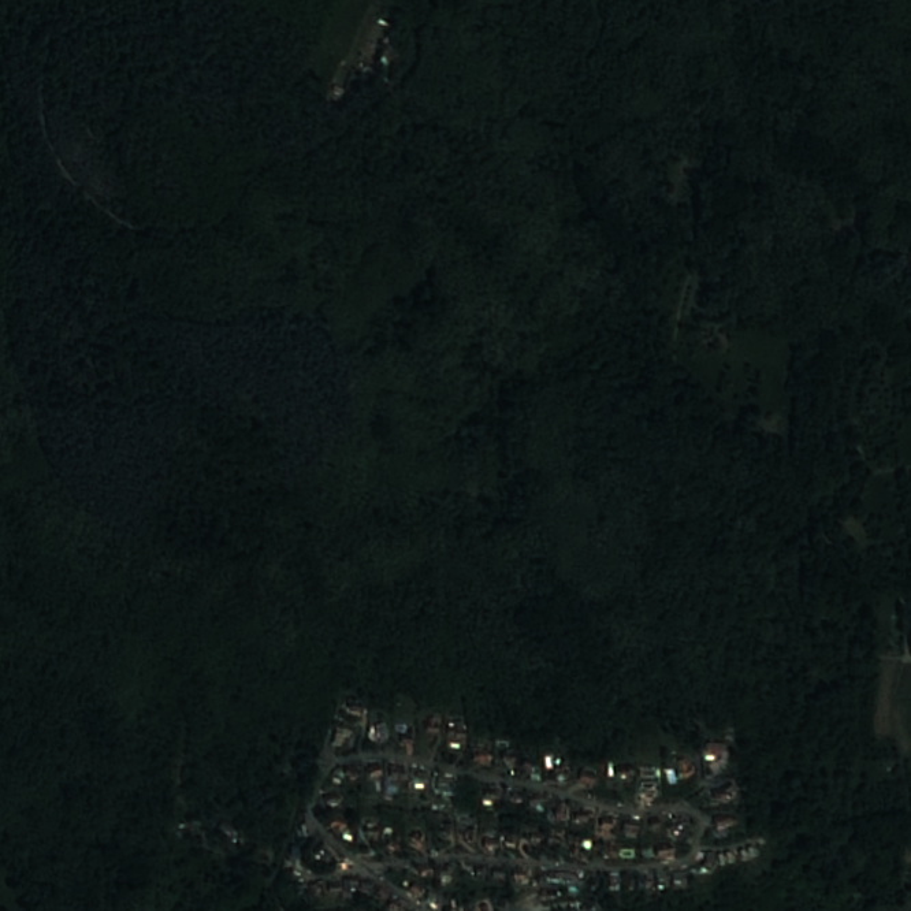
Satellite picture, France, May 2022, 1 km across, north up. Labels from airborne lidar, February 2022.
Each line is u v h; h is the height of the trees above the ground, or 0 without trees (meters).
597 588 20
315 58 20
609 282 30
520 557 21
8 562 18
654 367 26
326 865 9
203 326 28
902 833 8
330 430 22
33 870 21
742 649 23
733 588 16
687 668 24
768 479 26
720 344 11
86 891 18
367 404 17
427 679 17
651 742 0
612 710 12
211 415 14
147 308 16
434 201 22
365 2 0
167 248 16
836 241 28
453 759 6
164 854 22
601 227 40
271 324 29
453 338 26
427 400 11
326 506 22
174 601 15
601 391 13
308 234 25
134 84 16
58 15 17
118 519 21
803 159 30
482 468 22
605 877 10
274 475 10
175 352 25
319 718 12
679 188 0
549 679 23
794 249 23
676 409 19
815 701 23
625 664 25
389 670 20
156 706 21
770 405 0
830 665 9
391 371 18
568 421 18
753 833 11
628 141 21
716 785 0
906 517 6
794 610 24
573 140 6
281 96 21
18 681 18
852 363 12
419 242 18
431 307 25
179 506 15
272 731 16
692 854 0
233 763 7
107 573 20
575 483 22
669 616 23
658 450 27
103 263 15
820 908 13
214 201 16
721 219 26
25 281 19
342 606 12
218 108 17
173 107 18
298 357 26
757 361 0
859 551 9
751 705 15
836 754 18
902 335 18
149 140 12
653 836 0
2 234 25
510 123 26
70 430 20
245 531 15
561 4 23
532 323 25
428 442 16
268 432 14
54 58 17
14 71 23
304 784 21
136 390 14
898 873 7
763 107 24
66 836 15
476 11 24
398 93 19
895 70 17
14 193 23
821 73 19
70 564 19
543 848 6
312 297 22
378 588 16
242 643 16
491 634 17
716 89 21
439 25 24
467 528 20
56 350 20
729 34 21
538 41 22
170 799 18
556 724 18
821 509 17
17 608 19
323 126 21
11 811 18
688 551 17
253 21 22
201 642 16
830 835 30
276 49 23
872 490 0
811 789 26
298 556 13
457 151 20
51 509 22
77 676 15
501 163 25
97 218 20
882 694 0
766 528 23
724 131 27
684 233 23
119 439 21
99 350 15
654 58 16
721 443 20
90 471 22
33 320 17
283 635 16
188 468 17
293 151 15
